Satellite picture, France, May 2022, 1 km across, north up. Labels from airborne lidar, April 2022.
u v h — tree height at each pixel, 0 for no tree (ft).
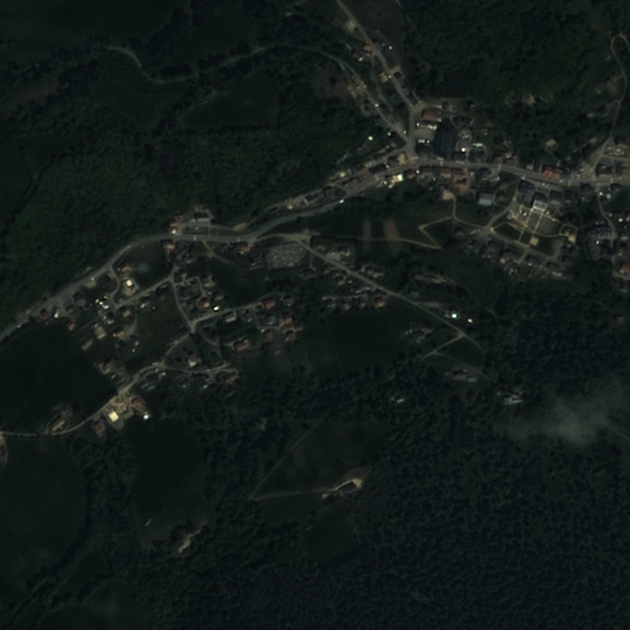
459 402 68
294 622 72
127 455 50
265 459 0
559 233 0
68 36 0
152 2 0
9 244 59
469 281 0
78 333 0
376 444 0
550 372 57
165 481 0
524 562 71
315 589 58
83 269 54
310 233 0
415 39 76
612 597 77
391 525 19
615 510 45
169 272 30
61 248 53
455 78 65
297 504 0
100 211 79
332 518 0
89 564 0
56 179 63
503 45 86
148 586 61
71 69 78
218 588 54
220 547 42
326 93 0
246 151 39
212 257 0
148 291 0
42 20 0
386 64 0
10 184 0
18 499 0
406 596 83
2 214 0
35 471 0
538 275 0
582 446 22
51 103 53
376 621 75
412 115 0
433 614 70
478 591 56
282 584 86
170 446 0
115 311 0
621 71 0
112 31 0
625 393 0
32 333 0
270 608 81
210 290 0
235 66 0
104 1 0
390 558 74
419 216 0
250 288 0
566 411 32
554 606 73
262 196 69
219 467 52
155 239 0
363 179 0
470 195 0
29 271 95
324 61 61
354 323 0
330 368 0
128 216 60
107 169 47
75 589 0
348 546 0
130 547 42
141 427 0
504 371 57
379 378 45
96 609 0
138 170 46
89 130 54
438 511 32
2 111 0
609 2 39
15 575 0
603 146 0
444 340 0
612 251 57
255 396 25
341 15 0
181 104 20
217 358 19
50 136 0
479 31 71
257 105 0
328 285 0
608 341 83
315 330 0
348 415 56
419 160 0
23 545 0
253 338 35
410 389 61
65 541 0
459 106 0
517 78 82
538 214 0
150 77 57
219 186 44
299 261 0
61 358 0
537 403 47
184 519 0
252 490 56
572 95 90
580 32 88
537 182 0
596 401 48
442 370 0
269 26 25
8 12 0
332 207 0
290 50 60
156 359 0
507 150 17
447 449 71
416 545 40
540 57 99
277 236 0
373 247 0
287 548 44
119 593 0
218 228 0
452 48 66
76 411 37
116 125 43
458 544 45
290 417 30
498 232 0
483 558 61
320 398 62
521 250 0
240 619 58
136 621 0
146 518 0
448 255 0
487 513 71
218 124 0
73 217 75
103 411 0
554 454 28
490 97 72
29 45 0
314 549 0
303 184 17
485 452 45
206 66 61
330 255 0
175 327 0
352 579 42
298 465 0
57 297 0
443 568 58
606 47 0
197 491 0
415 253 53
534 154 54
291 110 53
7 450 0
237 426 49
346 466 0
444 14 81
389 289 0
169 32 82
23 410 0
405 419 45
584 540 53
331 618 76
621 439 0
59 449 0
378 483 0
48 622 0
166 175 93
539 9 77
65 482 0
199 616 64
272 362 0
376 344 0
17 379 0
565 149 0
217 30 0
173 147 83
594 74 0
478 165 0
